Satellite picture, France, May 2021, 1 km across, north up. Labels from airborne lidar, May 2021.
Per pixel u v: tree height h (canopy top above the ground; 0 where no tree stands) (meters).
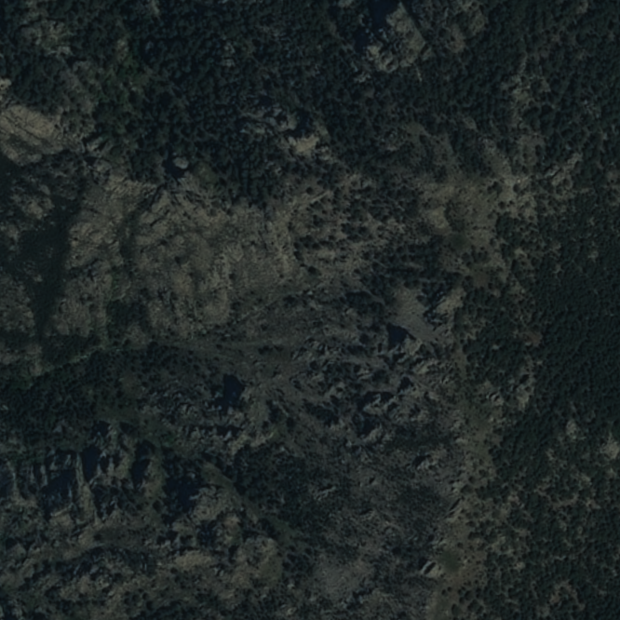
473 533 13
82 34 27
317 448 0
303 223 0
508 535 7
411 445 6
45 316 11
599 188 15
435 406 16
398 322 0
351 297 16
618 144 19
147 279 0
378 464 6
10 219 10
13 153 0
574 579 17
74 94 17
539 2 9
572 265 15
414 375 15
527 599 13
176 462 7
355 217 13
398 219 10
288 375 0
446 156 7
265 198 21
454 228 7
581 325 18
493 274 8
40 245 6
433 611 0
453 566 0
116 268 13
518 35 18
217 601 10
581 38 23
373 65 22
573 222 8
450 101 11
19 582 0
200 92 26
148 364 12
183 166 0
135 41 14
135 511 15
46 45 8
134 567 12
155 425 0
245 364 0
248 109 18
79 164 10
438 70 10
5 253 10
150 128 24
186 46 36
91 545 0
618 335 20
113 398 9
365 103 10
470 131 11
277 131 15
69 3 35
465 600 15
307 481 9
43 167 18
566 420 12
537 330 16
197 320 10
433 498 6
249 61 19
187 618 24
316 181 0
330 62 21
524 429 19
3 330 9
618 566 11
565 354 21
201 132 23
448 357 7
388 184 18
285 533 7
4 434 8
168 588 7
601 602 17
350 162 10
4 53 25
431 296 14
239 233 8
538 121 18
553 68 22
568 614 18
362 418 12
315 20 27
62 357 19
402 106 13
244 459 20
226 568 12
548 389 20
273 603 11
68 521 0
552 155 18
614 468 13
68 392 9
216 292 9
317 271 20
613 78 26
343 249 8
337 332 0
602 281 16
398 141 6
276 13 18
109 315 6
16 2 27
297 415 17
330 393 0
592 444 17
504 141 9
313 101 15
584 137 19
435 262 10
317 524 9
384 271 19
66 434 12
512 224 18
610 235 14
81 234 0
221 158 25
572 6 31
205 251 0
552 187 18
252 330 0
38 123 0
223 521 14
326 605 6
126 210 0
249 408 15
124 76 14
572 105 22
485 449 0
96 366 13
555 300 17
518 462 13
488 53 18
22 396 9
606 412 20
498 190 14
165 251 0
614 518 19
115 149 17
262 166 17
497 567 12
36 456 7
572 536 18
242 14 10
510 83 10
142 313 11
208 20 27
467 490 15
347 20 20
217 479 0
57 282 10
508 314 14
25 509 6
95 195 0
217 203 12
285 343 0
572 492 15
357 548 7
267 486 19
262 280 0
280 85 18
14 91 7
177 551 8
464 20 23
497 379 11
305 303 8
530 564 14
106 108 30
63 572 9
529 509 21
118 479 9
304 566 17
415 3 10
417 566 13
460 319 21
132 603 18
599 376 24
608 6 25
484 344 19
